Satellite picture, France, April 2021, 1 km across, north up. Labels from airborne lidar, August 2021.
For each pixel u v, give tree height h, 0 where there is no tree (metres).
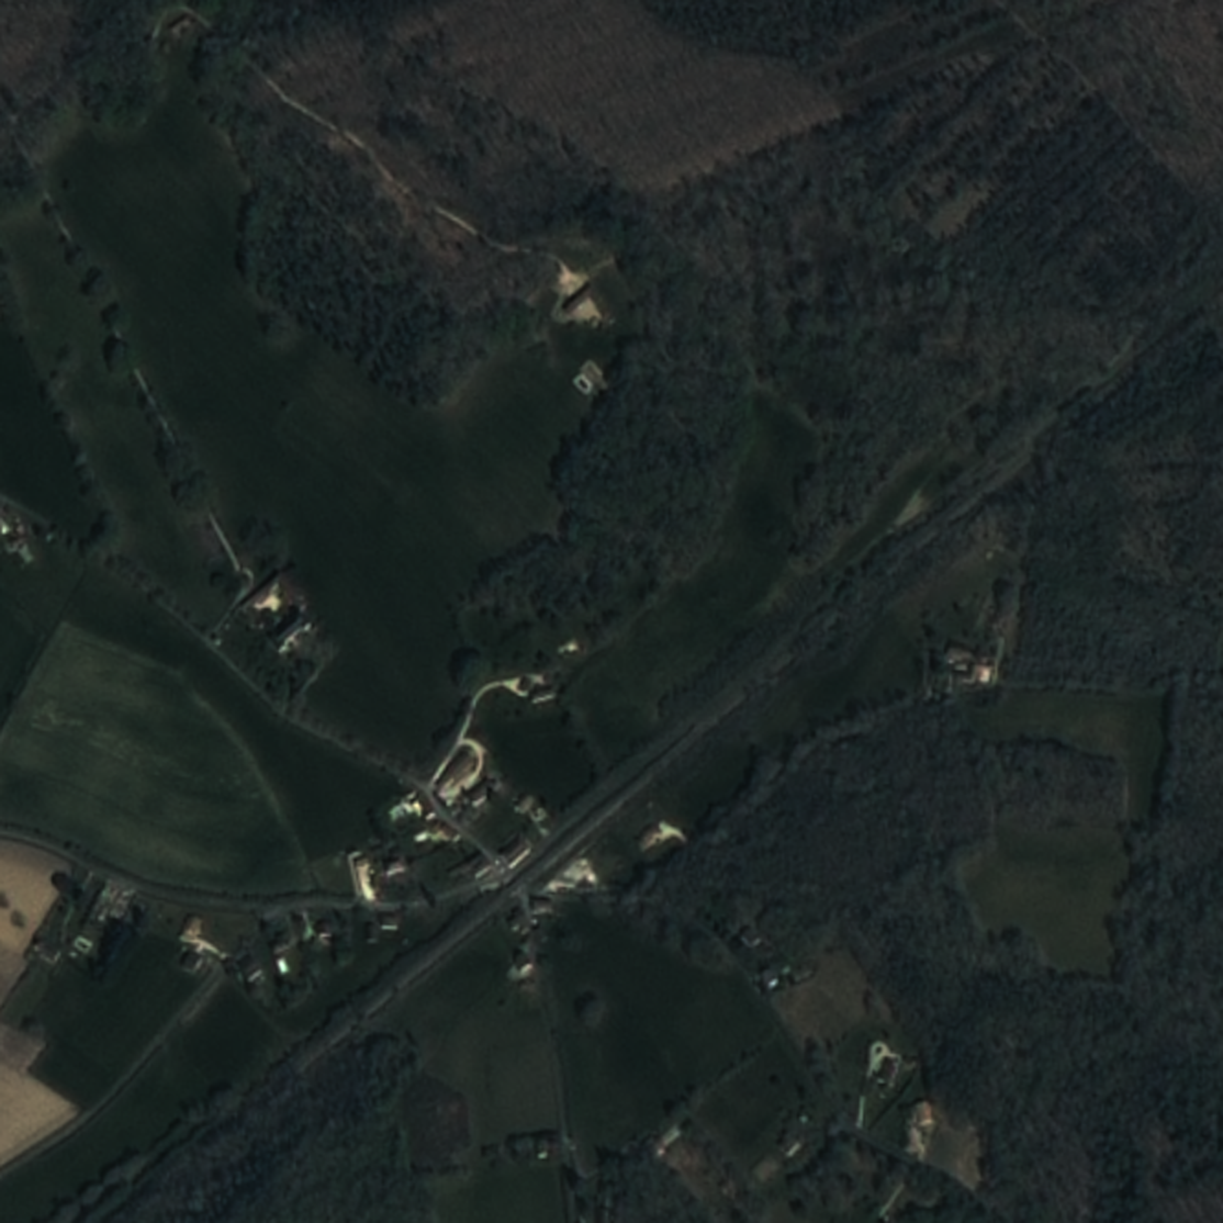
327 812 0
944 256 15
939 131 12
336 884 0
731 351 20
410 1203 20
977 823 15
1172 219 18
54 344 0
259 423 0
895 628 0
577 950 9
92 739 0
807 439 0
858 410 15
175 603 10
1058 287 19
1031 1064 23
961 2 16
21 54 12
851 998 0
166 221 0
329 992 0
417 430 0
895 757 14
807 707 0
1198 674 13
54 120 25
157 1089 0
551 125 22
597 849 0
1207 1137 13
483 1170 0
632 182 19
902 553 11
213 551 0
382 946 0
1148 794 0
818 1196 10
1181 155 18
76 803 0
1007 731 0
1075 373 20
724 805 8
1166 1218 16
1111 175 12
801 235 23
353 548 0
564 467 16
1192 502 7
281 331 16
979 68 11
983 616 0
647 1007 0
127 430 0
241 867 0
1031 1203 24
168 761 0
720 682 18
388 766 13
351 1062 15
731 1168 14
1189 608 12
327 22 16
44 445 0
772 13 19
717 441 25
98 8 9
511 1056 0
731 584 0
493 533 0
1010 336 21
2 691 0
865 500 23
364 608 0
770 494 0
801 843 9
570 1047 0
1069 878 0
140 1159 11
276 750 0
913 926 20
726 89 24
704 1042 0
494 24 21
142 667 0
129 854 0
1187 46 15
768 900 14
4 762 0
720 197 25
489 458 0
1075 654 8
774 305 18
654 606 13
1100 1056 26
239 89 16
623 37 26
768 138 20
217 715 0
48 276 0
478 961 0
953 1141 0
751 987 0
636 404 15
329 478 0
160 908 0
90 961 0
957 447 20
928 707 9
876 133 16
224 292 0
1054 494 24
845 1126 0
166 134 0
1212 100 20
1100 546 10
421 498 0
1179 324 15
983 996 24
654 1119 0
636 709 0
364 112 11
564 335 0
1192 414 12
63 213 11
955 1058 24
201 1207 18
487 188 13
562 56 26
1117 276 18
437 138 16
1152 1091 22
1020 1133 22
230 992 0
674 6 19
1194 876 19
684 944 14
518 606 12
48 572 0
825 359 24
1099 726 0
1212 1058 21
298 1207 23
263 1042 0
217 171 0
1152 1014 29
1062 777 19
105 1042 0
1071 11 9
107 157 0
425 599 0
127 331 22
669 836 0
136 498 0
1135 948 24
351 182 24
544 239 11
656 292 16
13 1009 0
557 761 0
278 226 11
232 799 0
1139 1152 22
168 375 0
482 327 22
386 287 19
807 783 15
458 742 16
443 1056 0
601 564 21
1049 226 15
